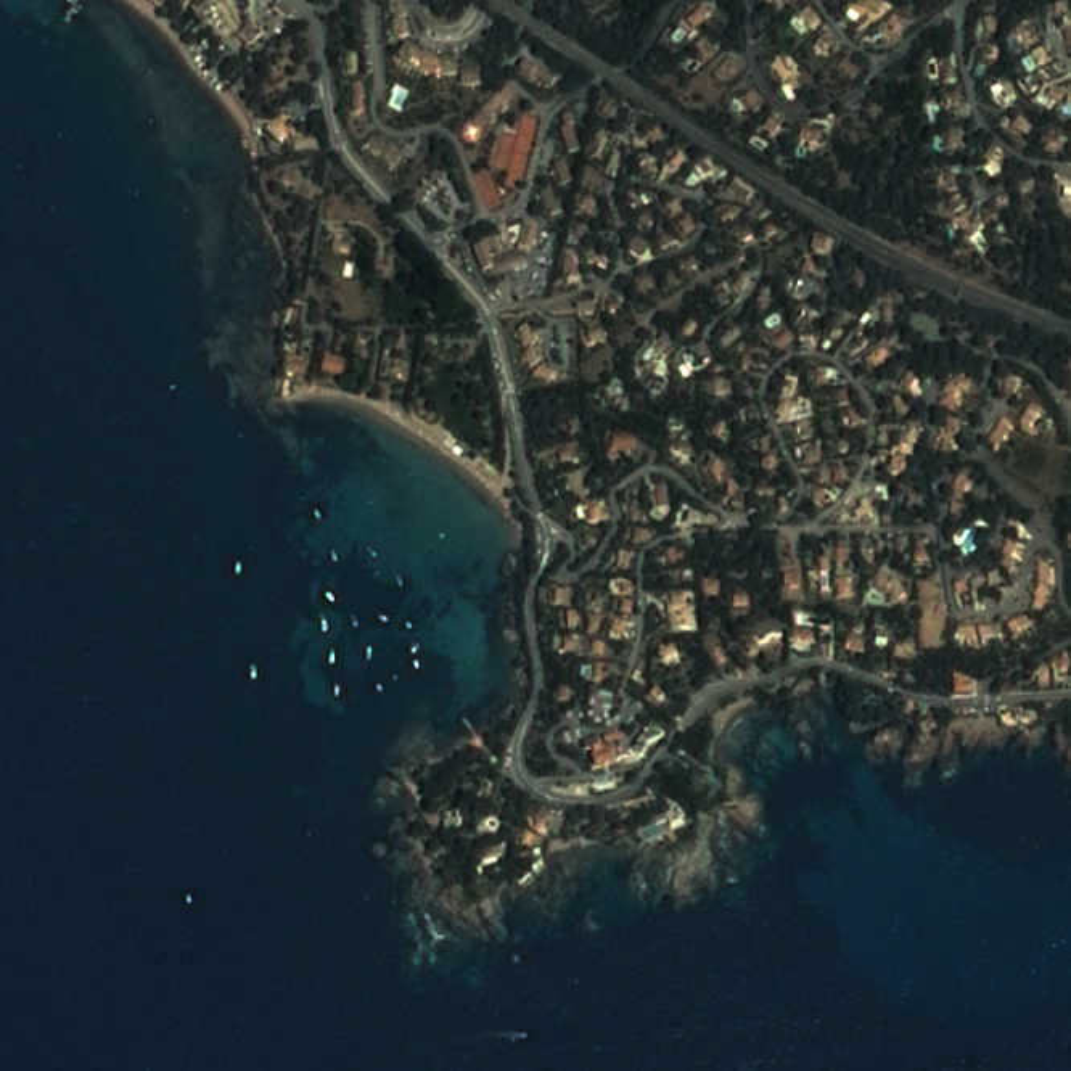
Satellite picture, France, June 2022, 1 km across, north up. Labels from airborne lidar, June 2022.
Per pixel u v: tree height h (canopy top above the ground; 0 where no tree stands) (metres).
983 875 0
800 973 0
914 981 0
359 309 0
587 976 0
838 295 13
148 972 0
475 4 8
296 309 8
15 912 0
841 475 0
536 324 7
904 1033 0
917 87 12
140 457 0
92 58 0
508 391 0
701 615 15
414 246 23
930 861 0
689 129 0
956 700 0
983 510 8
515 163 0
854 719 16
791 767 0
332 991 0
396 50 10
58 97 0
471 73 0
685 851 0
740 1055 0
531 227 0
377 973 0
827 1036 0
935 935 0
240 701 0
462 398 10
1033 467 0
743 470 7
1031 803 0
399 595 0
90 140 0
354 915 0
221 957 0
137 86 0
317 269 7
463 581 0
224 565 0
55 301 0
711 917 0
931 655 6
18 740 0
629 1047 0
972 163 11
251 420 0
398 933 0
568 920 0
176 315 0
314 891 0
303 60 14
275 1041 0
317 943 0
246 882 0
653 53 7
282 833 0
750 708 0
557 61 11
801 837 0
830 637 10
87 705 0
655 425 9
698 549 6
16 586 0
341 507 0
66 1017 0
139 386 0
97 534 0
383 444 0
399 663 0
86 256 0
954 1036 0
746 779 0
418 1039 0
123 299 0
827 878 0
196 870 0
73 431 0
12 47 0
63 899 0
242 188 0
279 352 7
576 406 8
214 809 0
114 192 0
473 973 0
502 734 6
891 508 12
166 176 0
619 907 0
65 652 0
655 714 7
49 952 0
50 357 0
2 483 0
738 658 9
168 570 0
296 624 0
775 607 7
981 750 0
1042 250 15
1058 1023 0
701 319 7
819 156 6
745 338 6
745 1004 0
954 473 11
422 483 0
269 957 0
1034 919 0
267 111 12
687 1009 0
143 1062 0
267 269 0
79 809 0
